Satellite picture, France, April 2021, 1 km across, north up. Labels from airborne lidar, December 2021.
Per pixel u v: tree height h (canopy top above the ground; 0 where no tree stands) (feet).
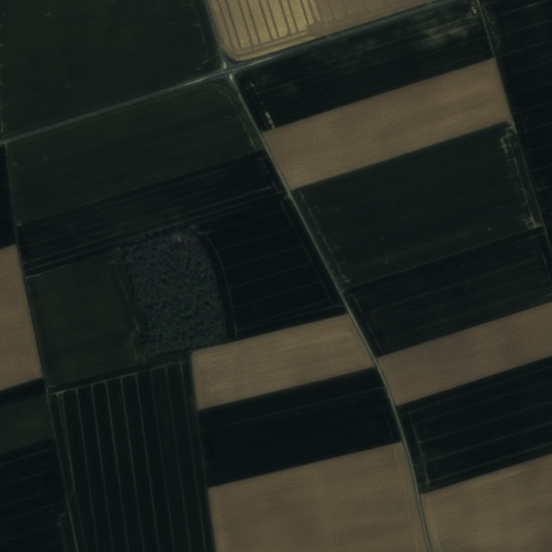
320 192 0
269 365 0
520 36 0
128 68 0
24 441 0
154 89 0
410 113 0
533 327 0
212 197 0
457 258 0
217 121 0
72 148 0
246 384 0
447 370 0
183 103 0
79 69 0
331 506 0
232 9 0
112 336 0
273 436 0
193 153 0
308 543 0
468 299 0
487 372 0
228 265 0
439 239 0
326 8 0
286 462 0
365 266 0
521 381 0
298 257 0
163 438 0
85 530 0
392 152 0
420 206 0
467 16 0
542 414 0
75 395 0
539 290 0
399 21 0
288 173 0
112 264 0
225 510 0
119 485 0
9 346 0
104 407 0
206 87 0
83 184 0
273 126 0
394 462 0
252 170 0
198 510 0
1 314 0
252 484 0
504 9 0
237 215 0
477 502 0
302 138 0
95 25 0
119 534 0
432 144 0
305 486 0
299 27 0
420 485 0
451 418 0
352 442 0
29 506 0
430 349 0
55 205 0
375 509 0
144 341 33
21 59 0
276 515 0
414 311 0
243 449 0
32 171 0
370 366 0
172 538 0
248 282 0
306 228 0
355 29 0
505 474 0
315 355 0
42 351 0
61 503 0
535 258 0
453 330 0
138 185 0
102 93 0
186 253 65
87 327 0
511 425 0
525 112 0
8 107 0
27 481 0
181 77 0
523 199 0
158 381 0
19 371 0
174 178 0
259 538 0
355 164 0
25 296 0
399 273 0
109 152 0
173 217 0
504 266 0
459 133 0
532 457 0
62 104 0
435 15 0
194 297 79
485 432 0
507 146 0
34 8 0
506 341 0
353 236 0
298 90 0
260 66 0
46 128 0
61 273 0
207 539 0
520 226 0
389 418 0
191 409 0
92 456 0
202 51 0
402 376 0
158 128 0
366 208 0
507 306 0
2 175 0
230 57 0
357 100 0
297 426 0
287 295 0
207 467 0
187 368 0
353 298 0
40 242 0
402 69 0
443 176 0
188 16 0
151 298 61
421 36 0
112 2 0
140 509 0
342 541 0
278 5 0
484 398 0
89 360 0
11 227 0
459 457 0
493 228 0
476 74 0
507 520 0
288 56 0
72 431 0
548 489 0
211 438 0
